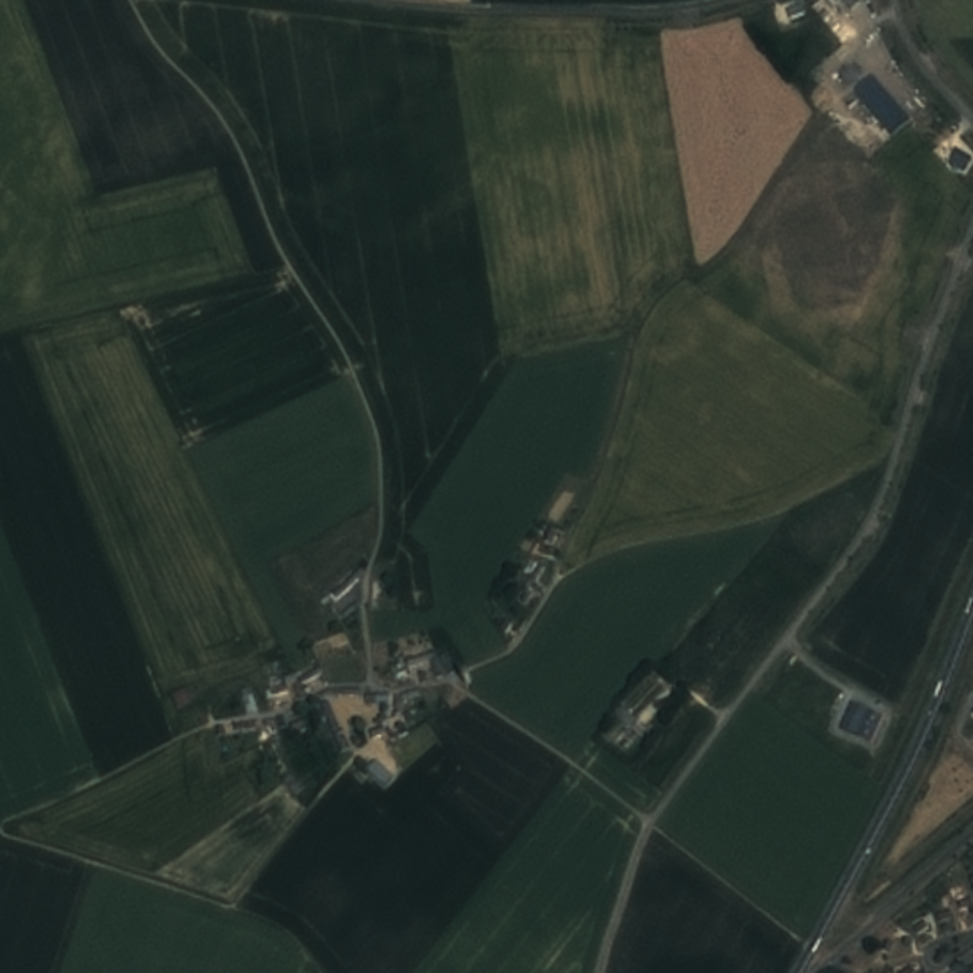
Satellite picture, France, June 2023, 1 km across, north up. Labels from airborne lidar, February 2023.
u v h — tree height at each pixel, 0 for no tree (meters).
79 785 0
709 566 0
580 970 0
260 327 0
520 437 0
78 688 0
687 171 0
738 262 0
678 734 0
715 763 0
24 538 0
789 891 0
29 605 0
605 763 0
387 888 0
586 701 0
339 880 0
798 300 0
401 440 0
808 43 0
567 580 0
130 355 0
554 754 0
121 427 0
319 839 0
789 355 0
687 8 0
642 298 0
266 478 0
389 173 0
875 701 0
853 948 0
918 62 0
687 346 0
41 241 0
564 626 0
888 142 0
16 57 0
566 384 0
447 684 0
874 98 0
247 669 0
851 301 0
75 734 0
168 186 0
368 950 0
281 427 0
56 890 0
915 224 0
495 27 0
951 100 0
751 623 0
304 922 0
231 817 0
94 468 0
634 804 0
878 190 0
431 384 0
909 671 0
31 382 0
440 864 0
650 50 0
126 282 0
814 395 0
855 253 0
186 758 0
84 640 0
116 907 0
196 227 0
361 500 0
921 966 0
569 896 0
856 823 0
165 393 0
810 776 0
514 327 0
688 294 0
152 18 0
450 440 0
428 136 0
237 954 0
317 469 0
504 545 0
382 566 0
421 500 0
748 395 0
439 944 0
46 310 0
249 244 0
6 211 0
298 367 0
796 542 0
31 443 0
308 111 0
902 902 0
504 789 0
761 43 8
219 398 0
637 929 0
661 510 0
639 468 0
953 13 0
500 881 0
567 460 0
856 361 0
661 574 0
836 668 0
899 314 0
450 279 0
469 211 0
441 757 0
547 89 0
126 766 0
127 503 0
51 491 0
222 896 0
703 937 0
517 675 0
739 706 0
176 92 0
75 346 0
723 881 0
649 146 0
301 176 0
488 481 0
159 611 0
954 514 0
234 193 0
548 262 0
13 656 0
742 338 0
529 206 0
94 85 0
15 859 0
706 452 0
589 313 0
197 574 0
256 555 0
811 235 0
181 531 0
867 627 0
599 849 0
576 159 0
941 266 0
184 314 0
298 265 0
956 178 0
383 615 0
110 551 0
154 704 0
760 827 0
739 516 0
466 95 0
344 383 0
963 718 0
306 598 0
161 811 0
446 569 0
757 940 0
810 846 0
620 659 0
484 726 0
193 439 0
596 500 0
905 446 0
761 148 0
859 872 0
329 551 0
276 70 0
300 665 0
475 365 0
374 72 0
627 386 0
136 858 0
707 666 0
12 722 0
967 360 0
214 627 0
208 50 0
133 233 0
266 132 0
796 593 0
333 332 0
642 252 0
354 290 0
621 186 0
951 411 0
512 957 0
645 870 0
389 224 0
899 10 0
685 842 0
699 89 0
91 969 0
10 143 0
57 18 0
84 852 0
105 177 0
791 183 0
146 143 0
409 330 0
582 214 0
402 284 0
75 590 0
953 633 0
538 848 0
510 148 0
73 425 0
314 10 0
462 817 0
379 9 0
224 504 0
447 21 0
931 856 0
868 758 0
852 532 0
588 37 0
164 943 0
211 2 0
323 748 6
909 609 0
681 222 0
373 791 0
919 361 0
